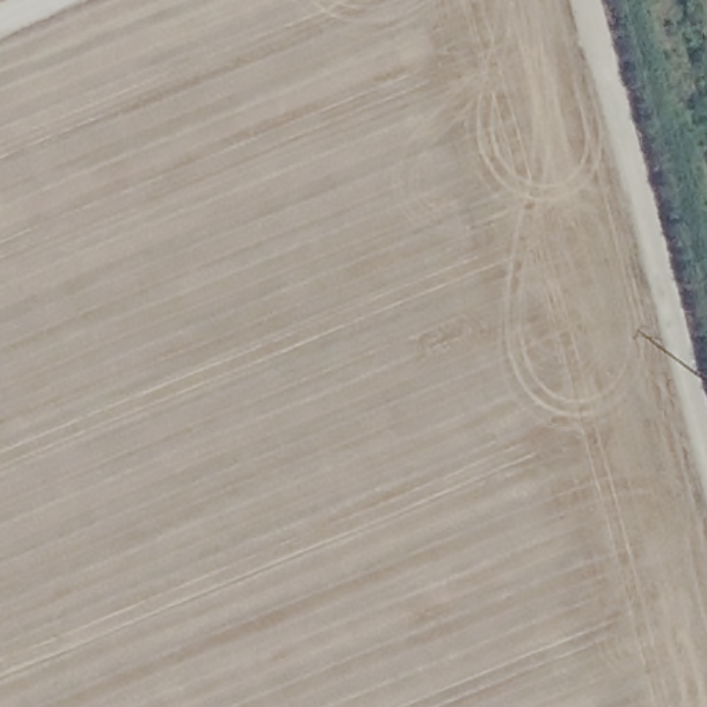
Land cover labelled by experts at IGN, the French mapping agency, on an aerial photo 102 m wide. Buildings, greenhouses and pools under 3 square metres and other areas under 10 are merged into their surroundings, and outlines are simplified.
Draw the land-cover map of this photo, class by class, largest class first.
<instances>
[{"label":"agricultural land","instance_id":"1","mask_svg":"<svg viewBox=\"0 0 707 707\"><path fill-rule=\"evenodd\" d=\"M0 707H707V497L693 456L677 381L671 373V351L666 348V340L660 334V315L643 268L630 196L616 168L610 130L605 122V110L585 50L580 44L572 0H77L0 36Z\"/></svg>","mask_w":707,"mask_h":707},{"label":"brushwood","instance_id":"2","mask_svg":"<svg viewBox=\"0 0 707 707\"><path fill-rule=\"evenodd\" d=\"M608 11L613 47L619 55L621 83L627 88L632 122L641 138L649 185L655 191L660 226L671 254L674 279L688 318L699 378L707 392V0H602Z\"/></svg>","mask_w":707,"mask_h":707},{"label":"pervious surface","instance_id":"3","mask_svg":"<svg viewBox=\"0 0 707 707\"><path fill-rule=\"evenodd\" d=\"M77 0H0V36ZM580 44L585 50L605 110V122L610 130L616 168L630 196L643 268L660 315V334L666 340V348L671 351V373L677 381L693 456L707 497V392L699 378L688 318L674 279L671 254L660 226L655 191L649 185L641 138L632 122L627 88L621 83L619 55L613 47L608 11L602 0H572Z\"/></svg>","mask_w":707,"mask_h":707}]
</instances>
